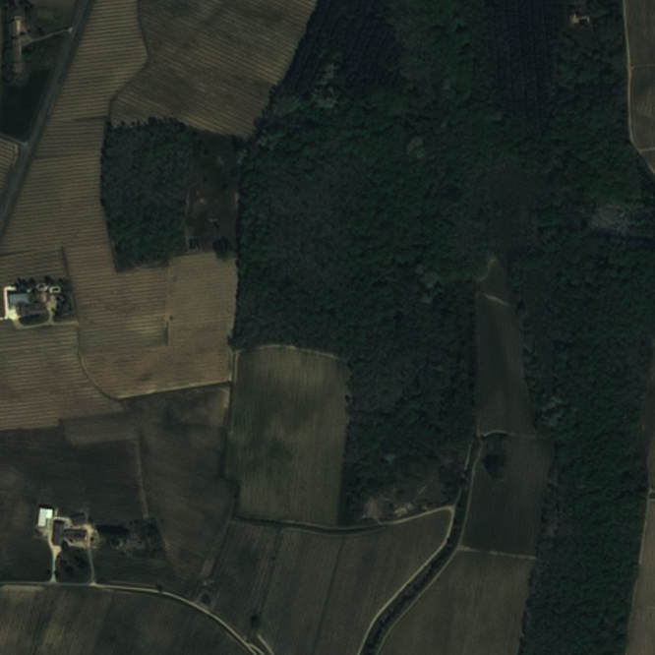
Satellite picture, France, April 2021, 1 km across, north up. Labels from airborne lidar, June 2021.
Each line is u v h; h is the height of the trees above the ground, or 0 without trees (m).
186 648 0
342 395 0
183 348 0
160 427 0
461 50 27
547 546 18
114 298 0
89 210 0
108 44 0
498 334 0
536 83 18
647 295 22
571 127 22
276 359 0
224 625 0
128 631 0
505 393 0
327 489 0
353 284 23
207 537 0
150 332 0
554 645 20
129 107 0
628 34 0
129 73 0
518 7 19
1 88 0
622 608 20
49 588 0
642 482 13
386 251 27
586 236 19
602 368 23
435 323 25
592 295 24
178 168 26
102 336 0
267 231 21
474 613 0
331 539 0
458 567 0
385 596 0
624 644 19
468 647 0
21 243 0
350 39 17
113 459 0
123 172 19
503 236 16
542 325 24
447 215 22
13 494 0
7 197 0
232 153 0
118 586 0
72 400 0
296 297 23
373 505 0
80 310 0
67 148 0
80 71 0
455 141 24
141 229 24
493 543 0
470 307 20
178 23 0
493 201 15
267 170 24
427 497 0
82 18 0
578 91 16
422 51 19
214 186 0
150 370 0
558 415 39
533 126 22
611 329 24
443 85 25
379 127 27
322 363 0
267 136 35
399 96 23
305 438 0
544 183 22
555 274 26
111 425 0
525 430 0
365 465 13
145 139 21
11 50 9
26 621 0
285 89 19
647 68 0
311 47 16
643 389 19
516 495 0
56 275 0
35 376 0
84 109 0
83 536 0
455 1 24
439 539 0
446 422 14
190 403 0
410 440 21
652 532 0
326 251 20
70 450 0
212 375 0
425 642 0
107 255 0
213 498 0
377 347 22
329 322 24
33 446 0
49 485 0
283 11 0
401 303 22
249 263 25
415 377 25
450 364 21
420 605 0
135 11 0
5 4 6
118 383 0
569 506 18
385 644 0
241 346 10
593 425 25
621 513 24
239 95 0
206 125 0
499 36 19
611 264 14
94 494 0
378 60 14
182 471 0
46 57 0
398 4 23
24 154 0
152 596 0
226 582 0
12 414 0
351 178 17
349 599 0
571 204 26
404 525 0
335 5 16
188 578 0
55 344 0
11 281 0
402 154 24
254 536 0
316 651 0
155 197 20
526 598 0
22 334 0
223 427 0
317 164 20
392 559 0
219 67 0
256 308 16
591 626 25
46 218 0
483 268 19
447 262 23
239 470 0
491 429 0
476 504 0
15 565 0
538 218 19
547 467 0
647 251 23
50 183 0
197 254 0
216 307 0
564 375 27
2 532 0
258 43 0
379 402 20
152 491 0
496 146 20
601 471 25
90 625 0
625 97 17
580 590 26
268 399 0
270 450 0
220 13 0
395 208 32
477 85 20
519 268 26
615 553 22
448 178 25
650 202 14
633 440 21
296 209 20
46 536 0
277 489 0
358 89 22
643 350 19
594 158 27
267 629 0
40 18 0
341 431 0
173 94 0
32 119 0
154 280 0
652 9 0
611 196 18
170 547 0
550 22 16
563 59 16
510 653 0
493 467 18
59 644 0
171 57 0
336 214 20
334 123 26
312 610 0
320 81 22
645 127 0
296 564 0
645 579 0
